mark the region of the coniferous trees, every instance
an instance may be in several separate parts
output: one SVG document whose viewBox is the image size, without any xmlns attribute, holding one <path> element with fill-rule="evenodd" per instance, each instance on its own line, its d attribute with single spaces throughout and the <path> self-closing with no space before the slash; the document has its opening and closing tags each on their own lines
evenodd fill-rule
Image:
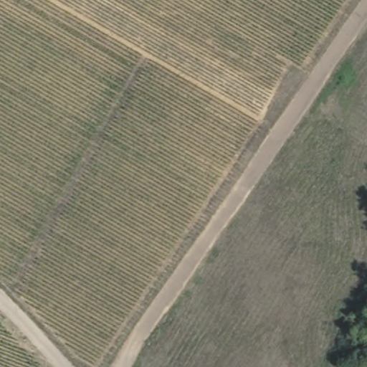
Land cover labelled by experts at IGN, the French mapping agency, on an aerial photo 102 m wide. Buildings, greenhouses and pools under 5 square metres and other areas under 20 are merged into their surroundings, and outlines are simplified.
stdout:
<svg viewBox="0 0 367 367">
<path fill-rule="evenodd" d="M 335 335 L 334 343 L 325 356 L 334 366 L 343 364 L 353 354 L 351 328 L 357 325 L 363 330 L 367 328 L 367 264 L 358 261 L 351 264 L 351 270 L 356 272 L 358 282 L 356 287 L 351 288 L 350 294 L 344 300 L 345 307 L 341 308 L 337 320 L 334 320 L 340 331 Z"/>
</svg>

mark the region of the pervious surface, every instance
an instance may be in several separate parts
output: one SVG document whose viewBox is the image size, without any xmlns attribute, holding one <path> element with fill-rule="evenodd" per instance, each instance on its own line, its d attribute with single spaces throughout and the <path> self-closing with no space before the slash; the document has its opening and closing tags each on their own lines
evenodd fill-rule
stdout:
<svg viewBox="0 0 367 367">
<path fill-rule="evenodd" d="M 30 338 L 53 367 L 73 367 L 43 331 L 7 297 L 6 292 L 0 290 L 0 311 Z"/>
</svg>

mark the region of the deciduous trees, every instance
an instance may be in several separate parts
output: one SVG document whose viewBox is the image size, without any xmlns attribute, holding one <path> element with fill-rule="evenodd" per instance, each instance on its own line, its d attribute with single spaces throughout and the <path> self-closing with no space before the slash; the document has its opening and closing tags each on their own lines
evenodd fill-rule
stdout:
<svg viewBox="0 0 367 367">
<path fill-rule="evenodd" d="M 367 328 L 363 330 L 357 325 L 351 328 L 353 354 L 343 364 L 334 366 L 334 367 L 367 367 Z"/>
</svg>

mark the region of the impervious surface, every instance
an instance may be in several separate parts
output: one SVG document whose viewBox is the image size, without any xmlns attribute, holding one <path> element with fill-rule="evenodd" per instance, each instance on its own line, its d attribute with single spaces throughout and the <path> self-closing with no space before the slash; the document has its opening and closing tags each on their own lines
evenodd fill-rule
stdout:
<svg viewBox="0 0 367 367">
<path fill-rule="evenodd" d="M 185 291 L 186 284 L 194 278 L 196 270 L 208 257 L 215 242 L 238 214 L 239 209 L 244 206 L 261 176 L 284 146 L 285 140 L 290 138 L 298 123 L 307 115 L 314 100 L 344 59 L 347 50 L 367 29 L 367 0 L 361 0 L 335 36 L 333 43 L 318 60 L 313 72 L 292 97 L 280 119 L 262 140 L 258 151 L 254 153 L 247 168 L 211 216 L 204 231 L 183 255 L 176 270 L 172 272 L 145 314 L 140 317 L 112 367 L 132 367 L 146 338 L 171 310 L 179 295 Z"/>
</svg>

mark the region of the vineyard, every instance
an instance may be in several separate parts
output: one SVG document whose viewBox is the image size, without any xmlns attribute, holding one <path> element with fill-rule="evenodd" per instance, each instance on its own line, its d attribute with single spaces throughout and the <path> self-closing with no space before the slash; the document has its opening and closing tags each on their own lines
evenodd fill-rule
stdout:
<svg viewBox="0 0 367 367">
<path fill-rule="evenodd" d="M 0 311 L 0 367 L 53 367 L 30 338 Z"/>
<path fill-rule="evenodd" d="M 140 317 L 145 314 L 172 272 L 176 270 L 183 255 L 204 231 L 211 216 L 247 168 L 254 153 L 258 151 L 262 140 L 280 119 L 292 97 L 313 72 L 318 60 L 333 43 L 335 36 L 361 0 L 0 0 L 0 290 L 6 292 L 7 297 L 43 331 L 73 367 L 112 367 Z"/>
</svg>

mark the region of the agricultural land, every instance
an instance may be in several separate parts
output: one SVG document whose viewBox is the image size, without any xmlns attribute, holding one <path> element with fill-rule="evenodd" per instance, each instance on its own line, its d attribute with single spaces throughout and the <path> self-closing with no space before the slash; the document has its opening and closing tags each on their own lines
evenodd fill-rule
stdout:
<svg viewBox="0 0 367 367">
<path fill-rule="evenodd" d="M 314 100 L 307 115 L 298 123 L 290 138 L 285 140 L 284 146 L 261 176 L 244 206 L 239 209 L 238 214 L 215 242 L 208 257 L 196 270 L 194 278 L 186 284 L 185 291 L 179 295 L 171 310 L 146 338 L 132 367 L 334 367 L 334 366 L 325 356 L 334 343 L 335 335 L 340 331 L 334 320 L 337 320 L 341 308 L 345 307 L 344 300 L 350 294 L 351 288 L 356 287 L 358 282 L 356 272 L 351 270 L 351 264 L 358 261 L 367 264 L 367 29 L 347 50 L 344 59 Z"/>
</svg>

